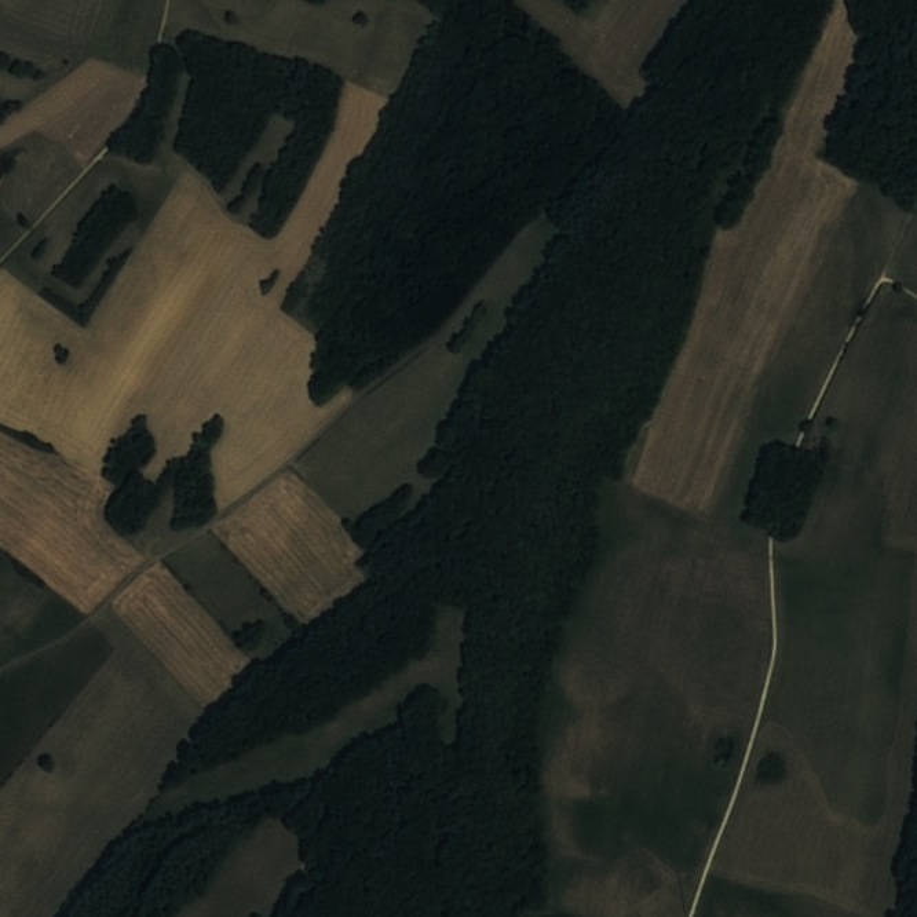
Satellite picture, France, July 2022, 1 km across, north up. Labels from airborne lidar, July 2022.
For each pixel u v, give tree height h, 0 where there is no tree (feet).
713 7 67
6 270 0
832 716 0
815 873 0
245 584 0
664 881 0
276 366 0
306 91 46
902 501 0
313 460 0
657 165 70
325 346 36
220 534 0
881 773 0
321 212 0
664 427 0
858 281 0
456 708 0
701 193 92
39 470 0
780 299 0
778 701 0
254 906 0
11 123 0
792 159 0
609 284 66
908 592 0
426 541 73
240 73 31
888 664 0
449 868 74
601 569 0
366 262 56
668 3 0
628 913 0
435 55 30
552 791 0
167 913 64
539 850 65
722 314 0
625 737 0
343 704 57
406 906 68
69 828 0
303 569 0
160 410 0
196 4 0
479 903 74
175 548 0
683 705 0
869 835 0
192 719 0
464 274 34
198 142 28
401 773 90
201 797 0
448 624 0
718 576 0
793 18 82
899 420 0
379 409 0
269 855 0
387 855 67
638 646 0
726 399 0
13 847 0
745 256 0
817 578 0
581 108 57
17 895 0
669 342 72
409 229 82
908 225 0
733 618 0
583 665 0
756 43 70
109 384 0
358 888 78
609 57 0
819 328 0
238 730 94
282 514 0
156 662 0
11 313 0
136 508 47
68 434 0
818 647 0
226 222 0
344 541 0
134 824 21
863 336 0
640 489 0
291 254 0
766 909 0
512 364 68
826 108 0
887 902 0
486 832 68
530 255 0
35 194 0
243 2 0
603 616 0
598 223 85
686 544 0
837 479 0
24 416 0
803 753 0
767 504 56
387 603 80
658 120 71
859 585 0
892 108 86
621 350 52
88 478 0
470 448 71
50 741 0
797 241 0
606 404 63
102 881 88
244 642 49
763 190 0
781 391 0
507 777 80
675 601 0
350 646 78
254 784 0
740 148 73
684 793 0
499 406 71
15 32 0
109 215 43
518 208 46
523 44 100
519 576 61
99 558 0
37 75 31
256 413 0
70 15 0
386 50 0
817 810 0
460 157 62
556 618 75
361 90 0
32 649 0
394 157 37
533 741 71
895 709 0
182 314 0
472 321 46
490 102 86
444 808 74
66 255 23
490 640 59
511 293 0
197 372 0
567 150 61
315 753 0
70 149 0
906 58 78
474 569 73
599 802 0
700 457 0
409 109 40
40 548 0
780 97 93
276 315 0
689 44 73
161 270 0
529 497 56
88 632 0
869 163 74
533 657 76
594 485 72
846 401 0
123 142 54
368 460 0
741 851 0
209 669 0
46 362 0
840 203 0
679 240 80
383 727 0
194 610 0
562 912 0
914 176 66
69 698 0
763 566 0
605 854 0
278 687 78
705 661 0
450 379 0
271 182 49
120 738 0
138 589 0
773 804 0
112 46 0
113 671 0
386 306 74
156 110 51
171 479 37
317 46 0
